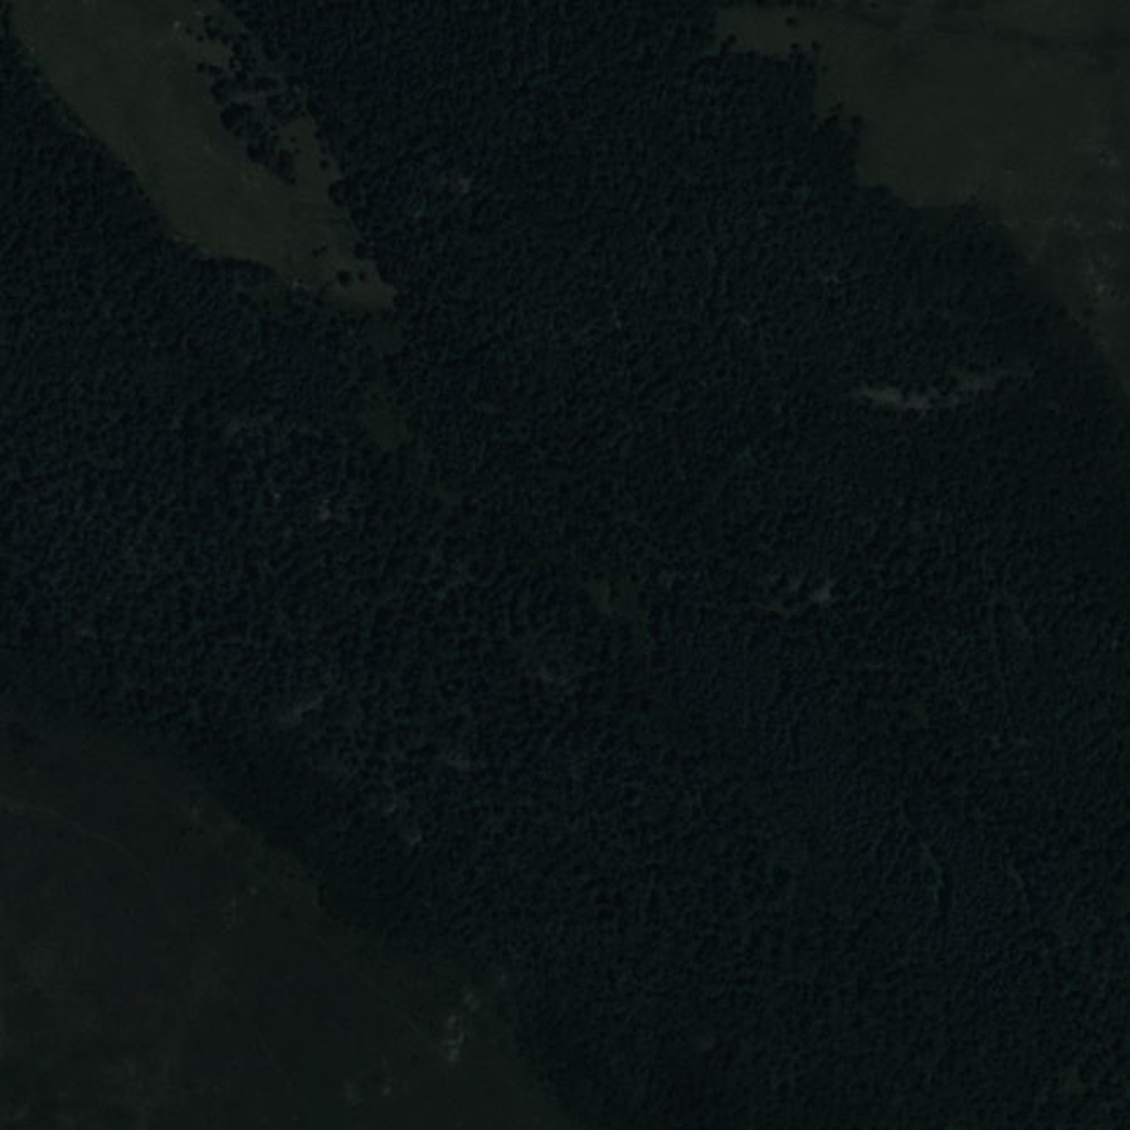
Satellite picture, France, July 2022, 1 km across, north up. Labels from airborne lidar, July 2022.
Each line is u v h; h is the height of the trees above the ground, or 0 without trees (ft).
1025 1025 50
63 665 25
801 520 70
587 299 35
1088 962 30
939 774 49
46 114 65
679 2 57
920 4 0
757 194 44
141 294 80
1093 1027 43
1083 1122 47
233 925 0
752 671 74
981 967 81
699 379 36
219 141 0
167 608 50
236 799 28
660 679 28
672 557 35
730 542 43
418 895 71
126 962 0
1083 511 32
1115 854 57
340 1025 0
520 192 47
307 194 0
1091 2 0
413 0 48
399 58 59
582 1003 30
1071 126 0
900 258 28
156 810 0
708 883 84
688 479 33
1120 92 0
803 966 42
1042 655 49
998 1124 45
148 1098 0
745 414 53
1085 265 0
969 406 26
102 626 54
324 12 70
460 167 32
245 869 0
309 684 41
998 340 26
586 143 48
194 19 0
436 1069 0
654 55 46
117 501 73
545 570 29
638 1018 31
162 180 0
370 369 34
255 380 62
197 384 56
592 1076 32
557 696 27
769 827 37
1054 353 19
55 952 0
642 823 36
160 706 48
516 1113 0
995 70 0
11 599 35
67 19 0
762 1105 29
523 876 32
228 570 61
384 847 37
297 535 50
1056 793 37
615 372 70
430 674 46
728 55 39
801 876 39
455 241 61
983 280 26
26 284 77
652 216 59
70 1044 0
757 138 52
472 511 67
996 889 62
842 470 50
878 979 45
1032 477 37
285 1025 0
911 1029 52
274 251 0
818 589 47
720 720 64
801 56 24
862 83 0
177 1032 0
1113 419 28
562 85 53
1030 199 0
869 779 69
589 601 56
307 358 97
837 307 53
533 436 20
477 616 48
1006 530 22
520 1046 21
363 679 54
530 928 34
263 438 26
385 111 54
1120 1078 43
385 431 0
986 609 44
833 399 30
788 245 34
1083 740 44
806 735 71
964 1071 50
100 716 35
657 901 66
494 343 43
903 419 33
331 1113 0
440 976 0
